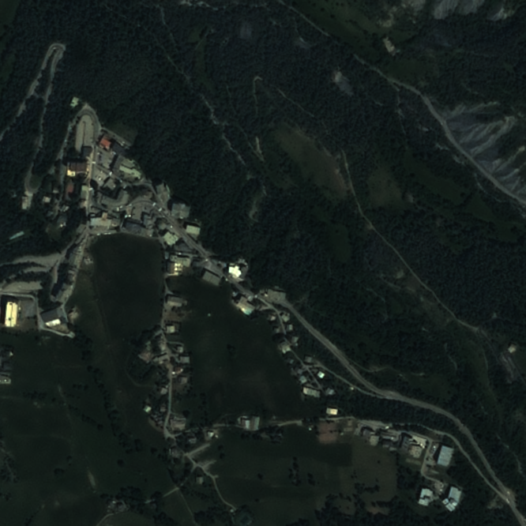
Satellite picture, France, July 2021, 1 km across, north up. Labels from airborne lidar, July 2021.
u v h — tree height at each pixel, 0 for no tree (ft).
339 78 0
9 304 0
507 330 52
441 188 0
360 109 36
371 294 41
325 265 29
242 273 0
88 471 0
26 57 51
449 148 30
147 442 0
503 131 0
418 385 0
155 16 50
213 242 38
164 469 0
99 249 0
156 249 0
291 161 18
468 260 80
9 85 35
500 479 23
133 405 0
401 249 28
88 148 0
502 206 20
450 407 36
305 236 49
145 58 45
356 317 28
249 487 0
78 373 0
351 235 43
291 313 31
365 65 35
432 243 60
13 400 0
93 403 0
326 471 0
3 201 61
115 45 45
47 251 44
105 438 0
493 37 26
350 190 24
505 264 81
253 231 34
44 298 43
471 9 0
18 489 0
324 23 0
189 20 42
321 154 0
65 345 0
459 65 22
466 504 23
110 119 41
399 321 65
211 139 31
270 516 0
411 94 29
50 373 0
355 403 31
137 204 0
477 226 63
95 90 29
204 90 25
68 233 47
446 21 28
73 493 0
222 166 35
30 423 0
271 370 0
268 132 24
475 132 0
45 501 0
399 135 24
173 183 23
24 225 53
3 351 24
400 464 27
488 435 47
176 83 25
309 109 39
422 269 43
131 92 35
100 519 0
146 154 55
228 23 38
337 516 35
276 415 0
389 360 36
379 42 54
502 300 37
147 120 43
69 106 24
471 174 25
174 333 35
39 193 24
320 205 41
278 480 0
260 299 23
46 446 0
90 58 48
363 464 0
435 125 35
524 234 22
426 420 28
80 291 0
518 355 0
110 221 0
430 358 42
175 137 38
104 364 0
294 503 0
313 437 0
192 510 0
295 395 0
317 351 22
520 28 56
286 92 34
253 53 29
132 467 0
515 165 0
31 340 0
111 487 0
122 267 0
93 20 65
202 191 57
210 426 32
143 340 23
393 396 0
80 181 25
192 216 22
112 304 0
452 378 41
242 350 0
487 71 42
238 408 0
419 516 25
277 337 39
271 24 53
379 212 25
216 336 0
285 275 36
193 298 0
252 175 29
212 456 0
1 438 23
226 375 0
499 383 36
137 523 0
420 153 31
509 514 22
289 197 27
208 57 36
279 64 46
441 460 0
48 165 37
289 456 0
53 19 46
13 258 27
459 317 31
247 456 0
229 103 25
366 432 0
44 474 0
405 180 42
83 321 0
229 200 41
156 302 0
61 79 44
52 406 0
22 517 0
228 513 24
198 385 0
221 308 0
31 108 33
